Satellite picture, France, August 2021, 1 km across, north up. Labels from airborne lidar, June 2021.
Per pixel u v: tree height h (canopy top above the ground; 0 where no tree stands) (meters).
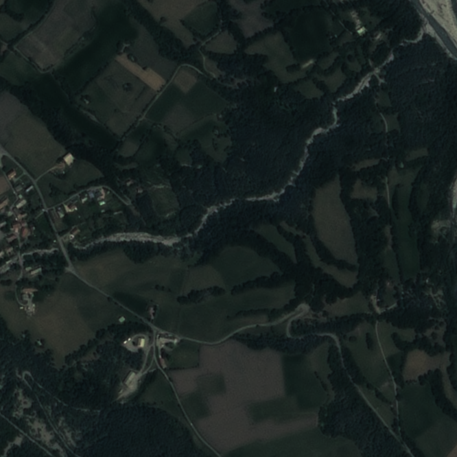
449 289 9
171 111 0
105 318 0
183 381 0
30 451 12
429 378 17
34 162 0
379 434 15
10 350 11
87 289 0
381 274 20
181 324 0
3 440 13
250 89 14
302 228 13
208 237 21
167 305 0
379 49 12
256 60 24
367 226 18
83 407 9
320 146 15
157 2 0
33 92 18
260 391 0
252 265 0
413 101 8
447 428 0
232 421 0
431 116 8
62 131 22
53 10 0
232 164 22
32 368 12
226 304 0
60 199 0
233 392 0
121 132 0
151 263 0
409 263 0
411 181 0
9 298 0
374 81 10
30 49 0
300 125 18
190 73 0
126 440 16
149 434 15
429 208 8
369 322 9
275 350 9
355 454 0
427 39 11
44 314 0
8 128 0
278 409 0
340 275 0
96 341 10
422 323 13
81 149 22
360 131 16
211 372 0
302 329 10
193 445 10
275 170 21
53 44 0
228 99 11
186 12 0
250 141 27
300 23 0
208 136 0
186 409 0
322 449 0
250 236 22
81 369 10
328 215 0
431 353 9
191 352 0
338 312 0
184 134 0
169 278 0
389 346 0
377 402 0
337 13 14
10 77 0
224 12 14
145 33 0
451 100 15
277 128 19
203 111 0
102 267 0
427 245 18
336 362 14
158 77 0
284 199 15
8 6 11
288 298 0
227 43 0
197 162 14
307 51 0
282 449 0
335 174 13
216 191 15
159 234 8
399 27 9
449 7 0
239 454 0
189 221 19
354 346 0
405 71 12
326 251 20
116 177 10
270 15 9
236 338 6
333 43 11
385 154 13
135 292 0
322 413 7
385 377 0
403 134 9
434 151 8
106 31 0
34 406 9
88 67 0
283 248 0
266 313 8
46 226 0
